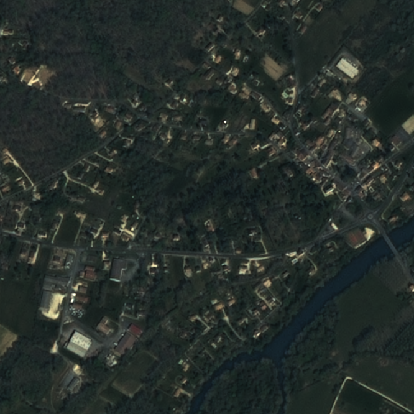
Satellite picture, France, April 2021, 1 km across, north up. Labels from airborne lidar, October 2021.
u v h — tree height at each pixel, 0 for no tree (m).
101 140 8
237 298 9
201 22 15
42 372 26
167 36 22
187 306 12
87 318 0
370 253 0
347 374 0
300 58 0
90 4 15
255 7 0
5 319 0
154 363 0
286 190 26
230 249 16
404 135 0
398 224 11
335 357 0
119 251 0
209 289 12
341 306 0
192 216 26
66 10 20
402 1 19
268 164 8
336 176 7
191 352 7
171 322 6
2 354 0
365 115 0
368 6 0
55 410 0
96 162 7
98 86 19
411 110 0
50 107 13
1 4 14
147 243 21
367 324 0
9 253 7
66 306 0
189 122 6
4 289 0
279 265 19
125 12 21
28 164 9
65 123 11
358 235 0
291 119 0
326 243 11
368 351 26
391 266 0
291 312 12
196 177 0
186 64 0
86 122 18
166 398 0
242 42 20
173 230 14
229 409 13
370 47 6
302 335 17
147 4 21
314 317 12
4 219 7
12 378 21
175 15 18
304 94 7
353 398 0
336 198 11
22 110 16
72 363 0
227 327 11
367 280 0
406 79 0
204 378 15
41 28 19
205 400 10
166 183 16
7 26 15
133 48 17
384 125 0
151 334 21
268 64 0
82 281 0
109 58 19
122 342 0
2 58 15
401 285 0
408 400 0
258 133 0
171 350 17
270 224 21
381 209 0
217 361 8
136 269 0
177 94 12
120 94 26
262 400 14
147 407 29
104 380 18
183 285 18
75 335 0
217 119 0
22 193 5
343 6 8
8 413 0
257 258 0
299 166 7
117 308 0
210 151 6
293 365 20
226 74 0
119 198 0
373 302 0
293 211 18
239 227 6
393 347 23
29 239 0
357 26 7
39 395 18
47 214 25
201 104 20
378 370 0
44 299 0
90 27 28
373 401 0
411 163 0
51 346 11
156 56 18
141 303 12
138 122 7
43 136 19
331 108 0
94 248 0
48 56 10
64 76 16
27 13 20
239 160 21
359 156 6
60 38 24
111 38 19
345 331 0
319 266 12
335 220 15
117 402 0
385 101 0
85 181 0
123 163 9
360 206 9
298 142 0
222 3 14
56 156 16
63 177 12
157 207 19
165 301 18
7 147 22
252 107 0
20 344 15
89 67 24
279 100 0
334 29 0
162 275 8
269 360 14
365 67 6
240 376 9
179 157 0
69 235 0
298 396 0
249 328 14
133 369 0
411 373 0
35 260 0
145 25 21
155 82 22
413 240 15
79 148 22
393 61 8
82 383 0
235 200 22
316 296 0
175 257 0
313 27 0
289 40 15
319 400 0
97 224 0
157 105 20
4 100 18
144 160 16
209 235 13
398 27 16
